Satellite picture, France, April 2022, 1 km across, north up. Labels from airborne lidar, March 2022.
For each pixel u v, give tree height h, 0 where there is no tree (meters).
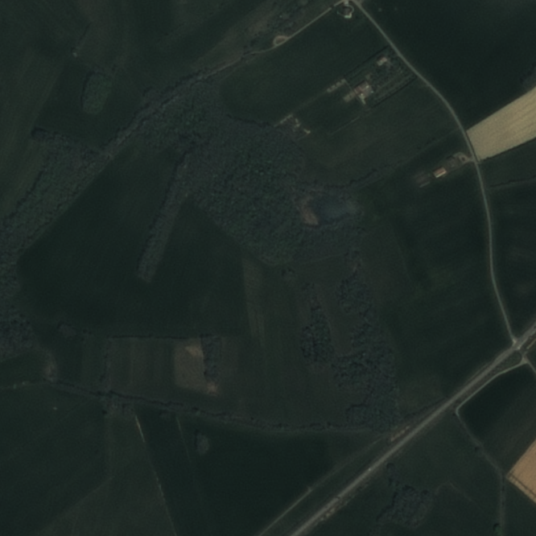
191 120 21
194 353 0
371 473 0
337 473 0
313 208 0
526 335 0
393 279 0
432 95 0
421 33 0
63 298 0
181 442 0
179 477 0
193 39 0
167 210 17
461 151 0
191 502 0
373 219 0
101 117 0
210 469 0
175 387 0
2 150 0
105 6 0
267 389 0
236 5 0
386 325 0
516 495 0
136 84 0
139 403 13
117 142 8
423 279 0
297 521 0
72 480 0
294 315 0
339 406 0
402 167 0
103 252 0
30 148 0
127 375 0
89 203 0
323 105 0
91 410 0
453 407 0
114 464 0
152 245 15
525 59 0
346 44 0
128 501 0
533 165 0
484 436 0
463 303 0
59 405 0
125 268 0
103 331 0
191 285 0
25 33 0
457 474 0
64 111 0
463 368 0
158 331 0
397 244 0
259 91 0
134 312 0
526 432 0
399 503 17
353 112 0
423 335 0
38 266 0
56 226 0
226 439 0
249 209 17
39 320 0
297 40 0
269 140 19
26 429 0
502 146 0
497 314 0
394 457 0
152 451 0
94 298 0
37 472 0
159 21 0
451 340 0
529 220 0
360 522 0
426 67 0
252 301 0
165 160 0
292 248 19
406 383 0
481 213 0
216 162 19
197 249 0
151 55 0
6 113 0
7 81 0
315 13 0
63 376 0
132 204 0
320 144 0
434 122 0
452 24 0
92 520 0
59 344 0
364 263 0
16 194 0
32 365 0
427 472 0
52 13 0
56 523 0
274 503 0
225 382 0
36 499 0
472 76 0
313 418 0
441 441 0
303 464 0
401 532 0
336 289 0
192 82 15
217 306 0
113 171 0
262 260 19
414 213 0
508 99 0
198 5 0
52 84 0
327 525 0
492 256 0
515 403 0
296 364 0
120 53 0
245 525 0
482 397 0
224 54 0
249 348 0
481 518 0
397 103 0
